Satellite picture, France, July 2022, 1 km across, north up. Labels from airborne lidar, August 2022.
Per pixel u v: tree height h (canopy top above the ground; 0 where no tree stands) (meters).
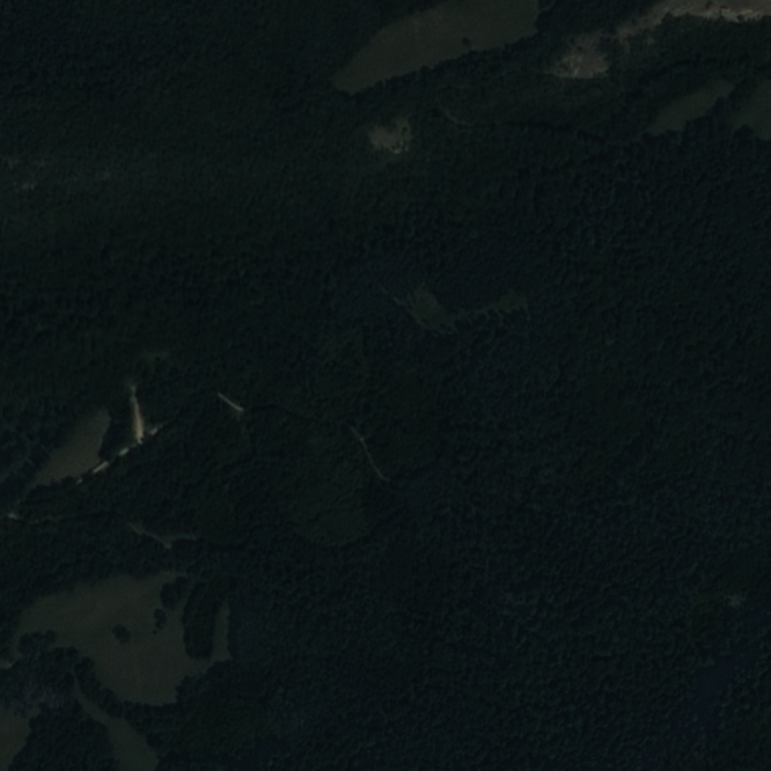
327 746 30
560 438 28
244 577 17
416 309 0
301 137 15
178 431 20
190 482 11
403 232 26
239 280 18
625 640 32
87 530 8
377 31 8
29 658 16
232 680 20
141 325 29
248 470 7
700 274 24
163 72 13
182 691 17
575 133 25
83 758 18
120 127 14
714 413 26
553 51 12
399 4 23
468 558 18
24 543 6
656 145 26
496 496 28
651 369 28
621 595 30
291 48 16
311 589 23
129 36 15
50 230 14
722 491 26
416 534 28
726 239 26
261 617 29
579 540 18
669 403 30
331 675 23
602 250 22
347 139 9
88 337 22
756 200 26
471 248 29
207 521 5
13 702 26
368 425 16
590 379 12
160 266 21
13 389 14
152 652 0
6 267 22
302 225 23
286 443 13
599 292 22
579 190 19
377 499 8
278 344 22
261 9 14
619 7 13
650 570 27
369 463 9
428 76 18
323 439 13
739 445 33
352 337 13
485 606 20
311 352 29
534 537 17
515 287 27
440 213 21
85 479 13
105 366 25
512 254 25
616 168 27
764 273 22
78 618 0
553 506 15
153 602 0
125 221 23
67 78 20
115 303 27
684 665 28
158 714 13
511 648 30
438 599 17
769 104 0
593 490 10
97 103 17
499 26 0
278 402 13
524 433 16
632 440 5
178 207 20
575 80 6
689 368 26
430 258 24
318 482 15
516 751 30
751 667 46
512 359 22
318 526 13
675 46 8
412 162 11
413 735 34
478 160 26
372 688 22
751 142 25
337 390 11
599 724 32
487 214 18
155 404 19
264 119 14
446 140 12
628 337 28
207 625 8
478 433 18
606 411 16
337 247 25
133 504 15
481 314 0
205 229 25
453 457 23
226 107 11
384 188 20
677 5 0
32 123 11
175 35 12
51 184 8
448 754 31
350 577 26
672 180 18
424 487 26
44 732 22
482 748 31
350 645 25
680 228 27
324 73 12
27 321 26
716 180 23
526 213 28
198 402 20
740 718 10
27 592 28
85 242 21
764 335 23
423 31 0
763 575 7
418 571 17
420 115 12
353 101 20
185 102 12
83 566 23
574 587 27
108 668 0
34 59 19
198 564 23
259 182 14
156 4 14
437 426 12
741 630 27
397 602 20
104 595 0
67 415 30
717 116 21
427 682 27
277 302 25
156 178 10
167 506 20
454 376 17
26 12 15
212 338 19
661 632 32
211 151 16
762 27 13
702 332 30
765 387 17
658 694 24
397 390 14
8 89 20
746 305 26
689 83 20
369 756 13
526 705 22
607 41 8
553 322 25
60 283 26
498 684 27
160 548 18
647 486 16
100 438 0
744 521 34
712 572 6
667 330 26
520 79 15
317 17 19
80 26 15
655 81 22
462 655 26
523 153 28
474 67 15
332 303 24
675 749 23
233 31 15
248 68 16
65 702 23
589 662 31
